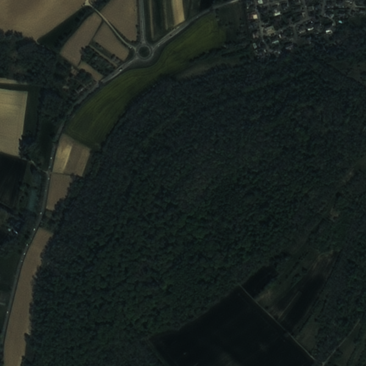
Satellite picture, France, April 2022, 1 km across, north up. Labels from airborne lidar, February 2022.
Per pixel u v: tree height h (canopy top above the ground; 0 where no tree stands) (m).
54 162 0
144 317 28
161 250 30
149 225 24
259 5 0
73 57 0
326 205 13
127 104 0
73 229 12
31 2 0
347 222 8
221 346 0
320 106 31
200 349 0
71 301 21
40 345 17
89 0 0
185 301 25
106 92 0
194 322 0
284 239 29
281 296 0
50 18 0
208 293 25
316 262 0
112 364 30
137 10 0
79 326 20
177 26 0
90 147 0
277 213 23
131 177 26
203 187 33
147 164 26
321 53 13
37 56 23
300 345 0
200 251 16
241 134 34
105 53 0
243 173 29
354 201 8
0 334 15
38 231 0
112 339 27
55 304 21
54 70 23
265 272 0
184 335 0
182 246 27
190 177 35
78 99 18
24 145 22
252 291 0
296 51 22
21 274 0
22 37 18
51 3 0
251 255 28
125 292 30
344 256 20
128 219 30
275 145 31
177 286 24
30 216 26
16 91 0
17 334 0
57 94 35
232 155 29
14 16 0
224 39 0
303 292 0
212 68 0
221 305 0
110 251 29
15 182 0
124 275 29
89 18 0
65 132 0
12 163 0
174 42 0
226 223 27
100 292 27
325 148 32
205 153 35
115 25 0
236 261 24
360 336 7
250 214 23
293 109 31
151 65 0
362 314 20
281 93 25
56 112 31
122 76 0
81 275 24
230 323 0
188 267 24
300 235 24
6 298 0
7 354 0
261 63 12
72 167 0
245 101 28
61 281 20
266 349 0
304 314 0
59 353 19
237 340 0
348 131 30
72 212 20
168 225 26
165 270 30
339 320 25
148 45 0
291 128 27
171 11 0
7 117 0
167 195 28
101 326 27
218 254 29
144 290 30
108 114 0
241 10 0
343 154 28
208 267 26
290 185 27
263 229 27
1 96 0
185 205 30
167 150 28
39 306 24
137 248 28
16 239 25
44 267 0
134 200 24
